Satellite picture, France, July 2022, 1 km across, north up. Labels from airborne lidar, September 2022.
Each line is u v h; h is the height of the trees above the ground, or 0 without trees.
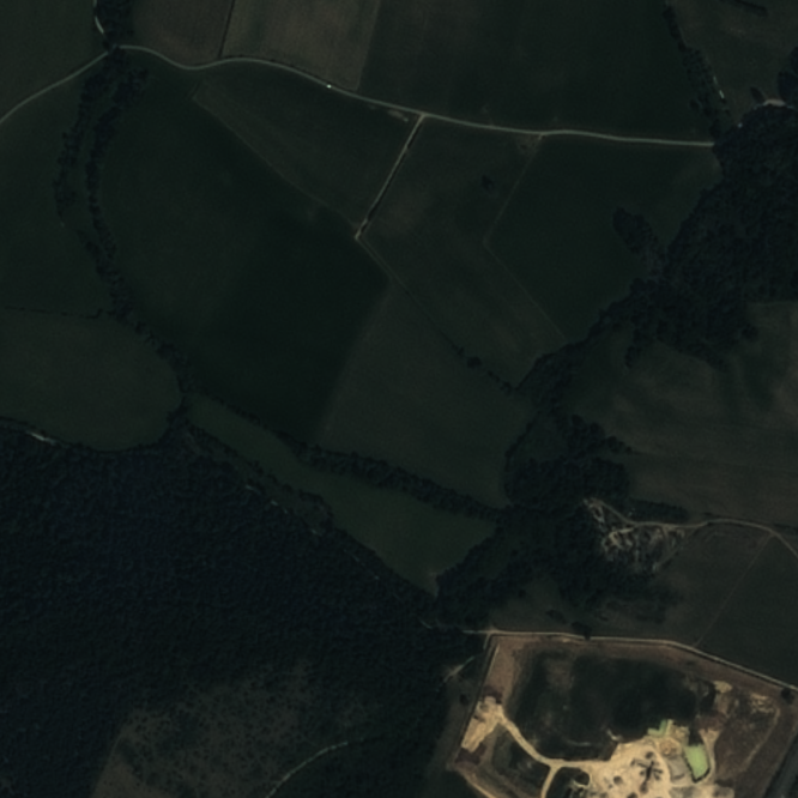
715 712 0
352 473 12
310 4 0
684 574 0
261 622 22
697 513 0
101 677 12
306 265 0
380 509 0
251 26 0
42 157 0
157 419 0
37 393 0
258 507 26
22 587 16
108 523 34
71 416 0
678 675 0
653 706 0
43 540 19
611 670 0
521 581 12
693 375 0
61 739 10
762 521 0
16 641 16
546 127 0
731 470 0
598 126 0
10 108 0
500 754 0
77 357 0
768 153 23
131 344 0
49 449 17
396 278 0
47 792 11
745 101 0
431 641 22
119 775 0
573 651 0
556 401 14
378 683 12
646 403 0
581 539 14
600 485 7
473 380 0
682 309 16
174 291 0
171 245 0
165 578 26
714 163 0
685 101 0
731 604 0
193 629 15
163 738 0
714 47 0
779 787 0
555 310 0
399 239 0
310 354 0
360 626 25
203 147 0
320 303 0
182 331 0
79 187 0
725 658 0
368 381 0
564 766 0
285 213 0
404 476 9
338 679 10
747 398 0
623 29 0
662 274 21
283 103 0
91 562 21
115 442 0
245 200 0
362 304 0
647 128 0
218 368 0
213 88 0
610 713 0
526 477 15
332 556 25
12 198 0
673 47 0
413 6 0
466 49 0
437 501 19
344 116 0
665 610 0
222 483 14
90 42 0
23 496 16
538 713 0
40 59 0
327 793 17
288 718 0
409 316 0
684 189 0
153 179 0
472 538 0
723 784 0
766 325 0
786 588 0
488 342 0
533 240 0
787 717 0
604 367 0
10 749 11
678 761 0
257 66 0
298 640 16
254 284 0
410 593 13
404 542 0
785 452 0
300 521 22
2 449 21
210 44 0
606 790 0
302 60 0
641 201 0
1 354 0
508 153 0
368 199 0
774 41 0
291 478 0
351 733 7
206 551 20
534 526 11
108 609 21
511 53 0
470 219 0
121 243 0
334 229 0
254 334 0
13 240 0
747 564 0
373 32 0
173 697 8
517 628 0
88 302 0
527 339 0
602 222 0
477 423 0
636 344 8
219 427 0
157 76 0
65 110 0
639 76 0
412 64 0
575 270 0
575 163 0
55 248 0
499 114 0
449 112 0
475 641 17
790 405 0
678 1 0
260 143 0
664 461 0
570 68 0
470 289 0
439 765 0
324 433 0
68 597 23
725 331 21
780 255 22
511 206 0
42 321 0
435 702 18
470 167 0
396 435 0
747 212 12
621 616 0
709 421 0
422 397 0
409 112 0
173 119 0
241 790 0
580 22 0
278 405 0
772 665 0
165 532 32
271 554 18
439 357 0
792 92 24
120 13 23
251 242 0
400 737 15
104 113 0
